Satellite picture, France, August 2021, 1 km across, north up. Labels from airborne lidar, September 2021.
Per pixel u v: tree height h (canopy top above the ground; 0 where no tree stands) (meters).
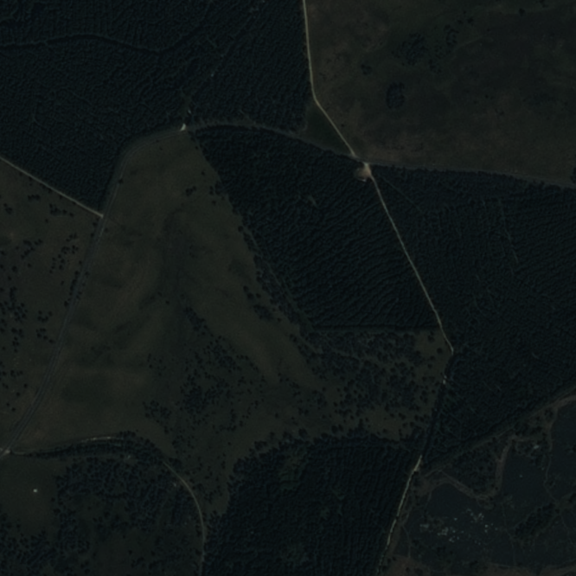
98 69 20
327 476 20
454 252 11
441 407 19
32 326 0
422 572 0
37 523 0
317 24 0
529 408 11
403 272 14
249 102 17
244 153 13
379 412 0
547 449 6
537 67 0
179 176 0
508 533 0
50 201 0
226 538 17
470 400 19
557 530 0
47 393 0
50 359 0
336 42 0
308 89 19
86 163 19
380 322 16
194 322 11
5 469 0
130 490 12
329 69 0
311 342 9
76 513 6
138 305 0
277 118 16
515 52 0
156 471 0
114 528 10
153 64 22
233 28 19
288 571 14
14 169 0
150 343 0
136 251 0
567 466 0
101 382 0
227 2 16
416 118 0
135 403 0
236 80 15
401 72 0
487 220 15
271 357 0
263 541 15
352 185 12
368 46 0
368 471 12
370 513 11
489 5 0
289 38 19
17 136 19
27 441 0
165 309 0
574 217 13
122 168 0
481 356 7
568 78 0
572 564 0
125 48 14
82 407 0
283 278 14
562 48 0
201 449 0
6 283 0
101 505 0
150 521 14
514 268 17
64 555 6
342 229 18
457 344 17
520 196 16
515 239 17
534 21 0
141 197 0
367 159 0
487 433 15
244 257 0
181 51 17
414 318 14
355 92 0
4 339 0
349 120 0
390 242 14
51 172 17
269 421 0
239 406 0
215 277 0
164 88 19
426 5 0
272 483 10
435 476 0
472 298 17
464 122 0
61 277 0
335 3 0
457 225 14
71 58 16
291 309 10
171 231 0
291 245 19
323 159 14
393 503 15
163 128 14
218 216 0
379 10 0
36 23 21
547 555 0
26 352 0
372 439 13
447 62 0
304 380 0
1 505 0
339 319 18
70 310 0
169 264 0
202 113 15
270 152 15
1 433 0
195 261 0
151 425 0
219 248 0
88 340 0
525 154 0
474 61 0
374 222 13
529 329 13
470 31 0
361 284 17
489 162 0
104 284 0
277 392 0
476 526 0
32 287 0
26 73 19
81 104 16
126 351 0
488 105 0
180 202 0
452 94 0
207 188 0
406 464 12
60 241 0
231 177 12
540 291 10
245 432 0
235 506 14
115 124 12
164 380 0
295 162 13
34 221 0
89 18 19
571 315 19
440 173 8
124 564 0
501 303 17
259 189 16
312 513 13
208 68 20
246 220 16
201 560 0
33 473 0
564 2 0
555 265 13
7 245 0
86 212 0
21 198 0
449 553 9
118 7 18
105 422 0
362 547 15
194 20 22
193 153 0
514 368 16
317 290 10
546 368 18
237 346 0
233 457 0
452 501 0
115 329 0
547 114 0
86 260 0
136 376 0
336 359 10
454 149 0
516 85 0
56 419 0
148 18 23
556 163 0
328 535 10
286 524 13
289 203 17
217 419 0
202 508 0
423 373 0
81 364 0
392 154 0
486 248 16
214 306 0
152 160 0
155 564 9
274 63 17
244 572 15
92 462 12
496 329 14
